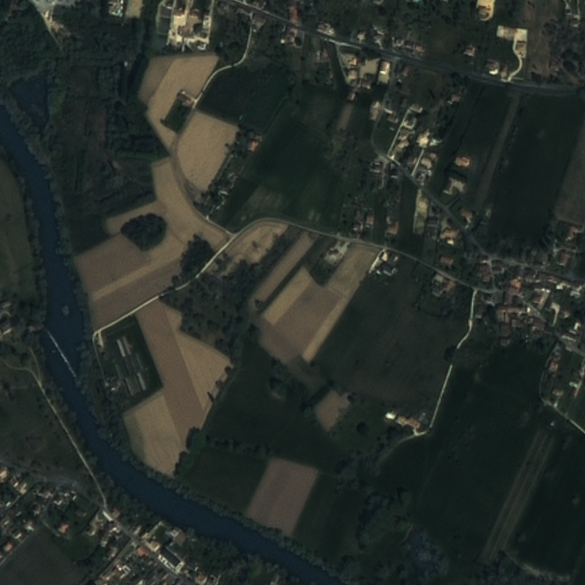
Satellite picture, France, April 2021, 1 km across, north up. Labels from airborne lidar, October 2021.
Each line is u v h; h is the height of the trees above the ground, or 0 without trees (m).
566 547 0
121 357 0
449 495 0
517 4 16
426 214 0
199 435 19
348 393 0
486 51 8
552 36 11
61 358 0
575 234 7
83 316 11
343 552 0
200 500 9
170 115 0
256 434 0
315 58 0
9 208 0
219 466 0
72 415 13
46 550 0
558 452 0
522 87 0
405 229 0
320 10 17
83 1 8
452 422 0
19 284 0
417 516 0
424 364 0
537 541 0
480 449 0
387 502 16
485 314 7
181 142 0
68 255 24
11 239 0
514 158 0
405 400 0
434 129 0
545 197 0
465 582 0
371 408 0
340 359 0
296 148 0
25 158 0
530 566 0
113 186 15
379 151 0
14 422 0
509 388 0
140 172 16
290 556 0
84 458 6
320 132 0
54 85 11
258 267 11
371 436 0
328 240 0
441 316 8
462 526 0
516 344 0
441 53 0
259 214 0
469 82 14
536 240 0
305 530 0
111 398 9
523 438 0
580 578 0
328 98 0
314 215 0
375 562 0
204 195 6
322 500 0
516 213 0
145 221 16
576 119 0
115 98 15
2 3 18
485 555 0
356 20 0
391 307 0
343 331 0
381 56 10
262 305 13
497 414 0
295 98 7
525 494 0
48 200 0
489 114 0
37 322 12
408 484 0
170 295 14
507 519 0
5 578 0
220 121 0
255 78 0
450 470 0
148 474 11
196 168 0
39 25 18
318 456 0
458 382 0
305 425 0
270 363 0
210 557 9
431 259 8
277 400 0
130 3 0
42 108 0
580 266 0
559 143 0
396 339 0
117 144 17
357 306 0
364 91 0
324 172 0
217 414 0
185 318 13
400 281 0
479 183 0
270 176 0
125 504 18
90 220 0
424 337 0
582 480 0
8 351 10
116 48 7
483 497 0
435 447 0
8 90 8
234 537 0
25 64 9
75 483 0
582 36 9
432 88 0
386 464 0
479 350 0
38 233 12
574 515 0
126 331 0
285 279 0
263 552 0
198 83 0
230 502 0
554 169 0
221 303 10
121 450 13
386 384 0
